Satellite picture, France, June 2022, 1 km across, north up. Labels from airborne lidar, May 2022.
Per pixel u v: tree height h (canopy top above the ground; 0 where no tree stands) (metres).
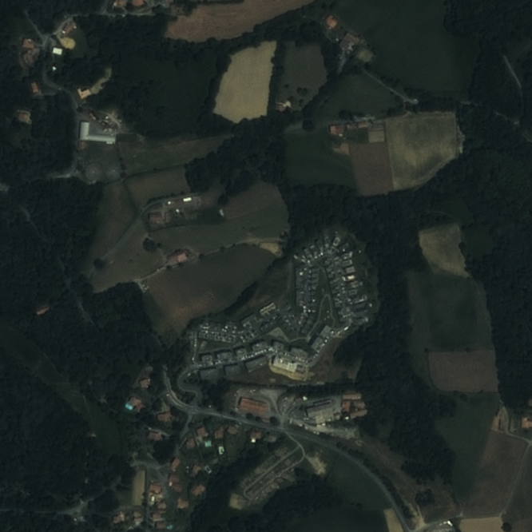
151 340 21
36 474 16
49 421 28
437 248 0
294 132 0
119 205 0
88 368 10
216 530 22
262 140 27
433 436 23
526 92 19
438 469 9
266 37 13
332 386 11
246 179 29
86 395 12
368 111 0
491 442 0
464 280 0
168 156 0
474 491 0
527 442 0
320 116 0
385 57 0
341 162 0
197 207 0
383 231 25
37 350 0
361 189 0
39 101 13
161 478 0
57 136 26
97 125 0
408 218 22
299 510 31
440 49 0
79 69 20
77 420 14
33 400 25
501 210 25
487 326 0
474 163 28
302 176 0
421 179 0
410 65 0
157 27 18
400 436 11
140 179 0
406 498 0
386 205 24
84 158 0
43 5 22
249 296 16
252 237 0
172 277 0
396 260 26
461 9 22
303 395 9
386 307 20
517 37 12
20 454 15
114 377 17
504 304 26
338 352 8
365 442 0
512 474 0
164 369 14
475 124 23
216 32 0
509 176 30
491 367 0
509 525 12
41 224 22
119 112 0
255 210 0
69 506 10
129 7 13
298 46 8
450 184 27
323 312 0
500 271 17
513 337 26
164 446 17
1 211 25
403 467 10
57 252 19
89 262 0
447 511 0
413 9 0
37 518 26
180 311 0
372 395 13
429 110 21
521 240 23
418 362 0
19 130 8
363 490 0
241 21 0
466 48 0
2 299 23
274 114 17
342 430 0
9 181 23
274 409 0
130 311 29
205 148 0
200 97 0
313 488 19
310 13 15
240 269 0
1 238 25
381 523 0
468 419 0
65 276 15
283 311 0
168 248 0
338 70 12
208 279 0
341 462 0
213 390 21
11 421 17
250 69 0
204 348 0
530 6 16
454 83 0
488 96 18
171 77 0
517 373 27
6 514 13
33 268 10
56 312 24
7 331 0
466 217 0
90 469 10
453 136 0
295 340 0
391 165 0
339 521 0
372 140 0
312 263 0
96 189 17
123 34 18
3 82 23
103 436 0
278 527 25
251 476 0
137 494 0
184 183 0
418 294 0
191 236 0
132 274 0
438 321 0
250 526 23
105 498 24
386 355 30
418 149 0
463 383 0
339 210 8
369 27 0
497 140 21
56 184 9
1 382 13
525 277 26
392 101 0
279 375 0
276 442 8
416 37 0
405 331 18
